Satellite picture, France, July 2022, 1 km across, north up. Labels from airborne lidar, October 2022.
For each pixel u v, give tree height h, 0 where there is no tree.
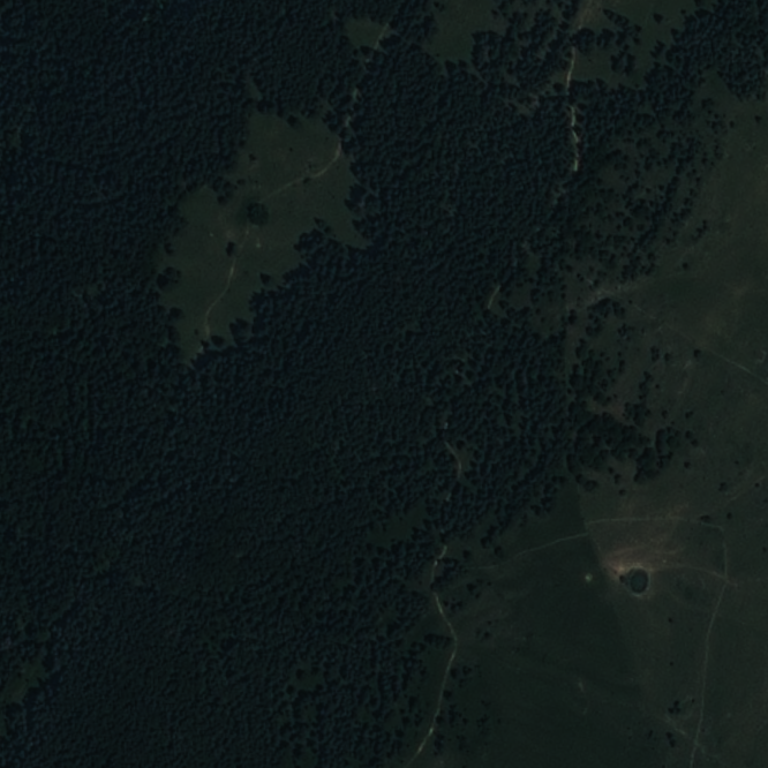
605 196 13
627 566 0
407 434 20
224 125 30
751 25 14
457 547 0
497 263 22
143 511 29
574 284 0
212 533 29
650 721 0
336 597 20
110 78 35
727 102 0
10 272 33
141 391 32
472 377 21
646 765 0
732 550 0
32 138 17
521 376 18
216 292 0
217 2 26
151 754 22
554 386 18
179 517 31
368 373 18
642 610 0
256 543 20
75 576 19
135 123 33
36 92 23
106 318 28
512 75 14
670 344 0
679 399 0
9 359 26
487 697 0
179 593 25
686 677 0
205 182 22
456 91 23
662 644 0
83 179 32
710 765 0
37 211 37
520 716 0
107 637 28
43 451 18
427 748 0
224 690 15
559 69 17
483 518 20
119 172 35
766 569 0
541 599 0
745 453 0
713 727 0
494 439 14
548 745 0
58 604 25
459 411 22
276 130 0
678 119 13
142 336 27
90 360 32
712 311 0
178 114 33
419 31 23
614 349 0
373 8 24
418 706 17
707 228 12
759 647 0
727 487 8
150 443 29
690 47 15
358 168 18
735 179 0
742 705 0
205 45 23
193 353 0
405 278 21
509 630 0
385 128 19
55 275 28
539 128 22
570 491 0
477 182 16
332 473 13
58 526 32
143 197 32
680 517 0
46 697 12
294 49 22
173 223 28
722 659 0
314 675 7
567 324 7
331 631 25
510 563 0
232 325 0
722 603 0
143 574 27
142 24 33
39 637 21
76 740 29
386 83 22
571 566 0
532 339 24
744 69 11
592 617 0
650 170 12
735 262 0
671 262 0
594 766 0
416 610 20
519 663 0
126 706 21
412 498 20
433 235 17
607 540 0
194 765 17
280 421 24
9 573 26
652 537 0
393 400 17
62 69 40
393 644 9
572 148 12
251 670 18
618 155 11
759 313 0
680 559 0
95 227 33
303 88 21
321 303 26
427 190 14
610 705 0
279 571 18
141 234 29
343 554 19
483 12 0
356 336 23
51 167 40
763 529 0
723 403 0
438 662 0
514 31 13
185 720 17
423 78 25
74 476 22
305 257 7
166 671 20
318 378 23
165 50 35
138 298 27
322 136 0
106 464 33
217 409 27
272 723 21
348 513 23
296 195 0
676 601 0
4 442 19
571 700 0
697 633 0
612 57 0
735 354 0
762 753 0
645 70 0
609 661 0
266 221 8
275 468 20
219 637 12
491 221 21
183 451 31
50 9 27
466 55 0
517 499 20
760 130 0
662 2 0
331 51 27
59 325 25
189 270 0
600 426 18
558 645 0
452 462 18
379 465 22
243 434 31
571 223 11
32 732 23
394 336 15
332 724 21
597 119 11
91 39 27
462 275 18
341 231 0
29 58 24
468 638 0
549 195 10
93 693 25
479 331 19
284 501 19
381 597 22
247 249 0
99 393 28
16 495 26
